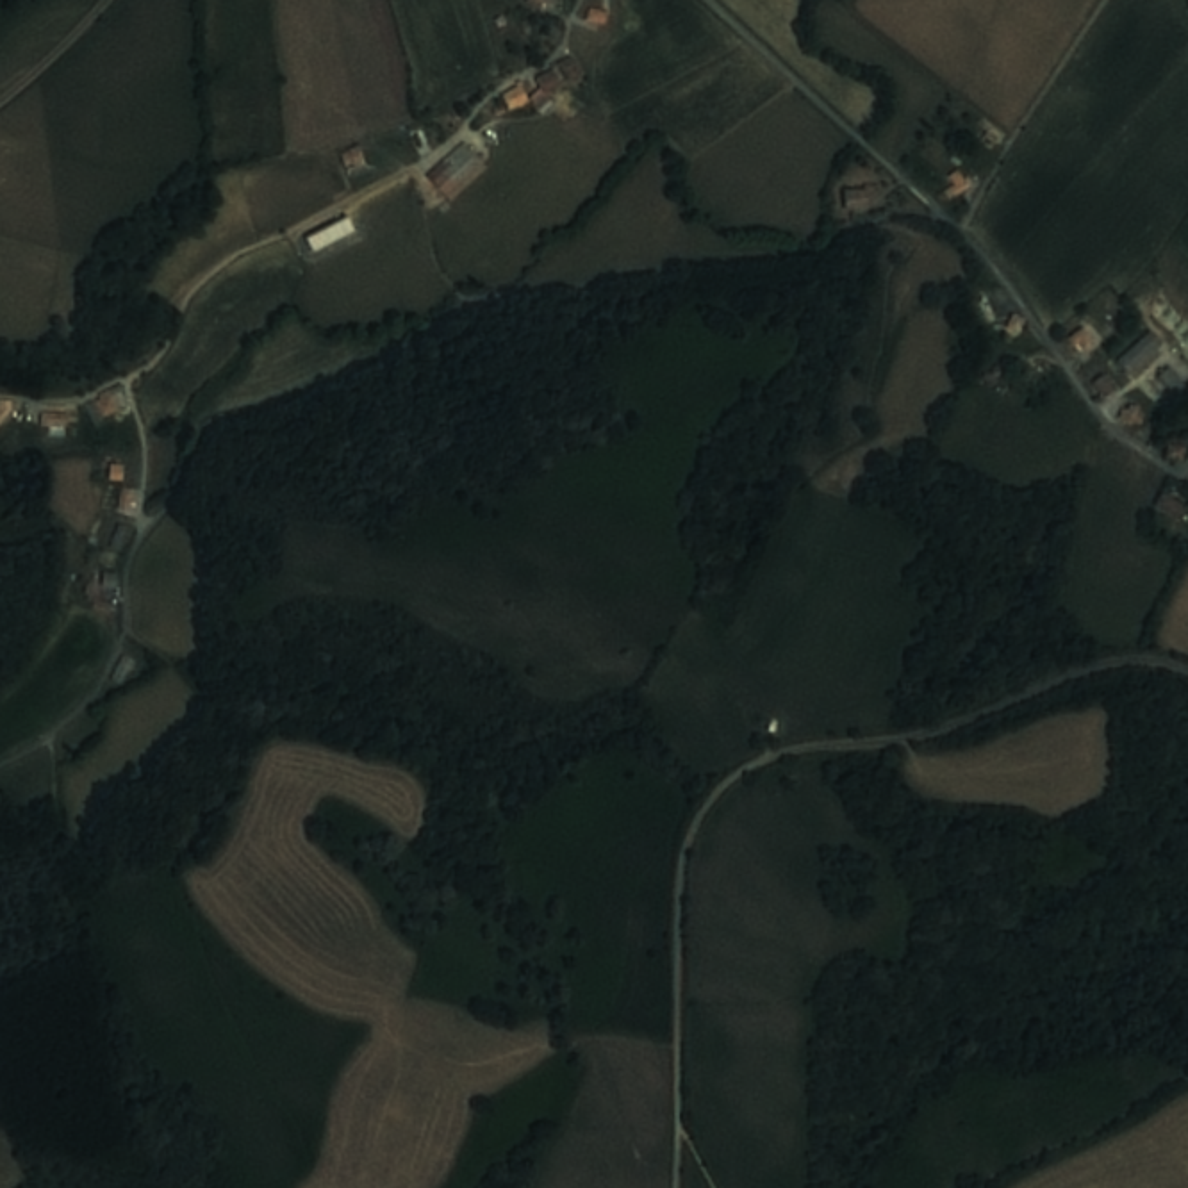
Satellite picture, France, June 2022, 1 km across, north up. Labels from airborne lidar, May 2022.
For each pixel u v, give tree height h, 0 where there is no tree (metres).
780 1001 0
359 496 12
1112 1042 9
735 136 0
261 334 11
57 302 0
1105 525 0
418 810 0
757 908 0
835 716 0
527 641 0
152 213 18
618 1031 0
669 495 0
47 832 16
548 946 18
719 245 0
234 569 11
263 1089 0
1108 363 0
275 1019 0
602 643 0
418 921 14
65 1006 33
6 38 0
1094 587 0
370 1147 0
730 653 0
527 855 0
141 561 0
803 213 0
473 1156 0
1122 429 0
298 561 0
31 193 0
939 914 20
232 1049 0
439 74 0
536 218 0
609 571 0
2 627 27
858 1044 17
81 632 0
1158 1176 0
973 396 0
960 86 0
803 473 14
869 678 0
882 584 0
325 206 0
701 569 7
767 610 0
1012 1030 14
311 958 0
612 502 0
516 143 0
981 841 27
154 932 0
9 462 8
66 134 0
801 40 11
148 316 30
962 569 15
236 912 0
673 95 0
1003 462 0
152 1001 0
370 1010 0
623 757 0
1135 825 24
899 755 15
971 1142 0
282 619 8
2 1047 21
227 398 0
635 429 14
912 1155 0
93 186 0
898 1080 19
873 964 18
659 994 0
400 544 0
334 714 16
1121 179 0
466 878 22
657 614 0
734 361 0
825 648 0
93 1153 22
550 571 0
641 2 0
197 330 0
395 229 0
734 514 22
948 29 0
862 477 6
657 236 0
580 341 24
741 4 0
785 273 18
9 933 16
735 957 0
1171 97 0
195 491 11
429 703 8
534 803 15
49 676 0
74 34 0
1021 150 0
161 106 0
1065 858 0
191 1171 24
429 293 0
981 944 26
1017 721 13
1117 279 0
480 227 0
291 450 12
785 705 0
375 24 0
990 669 28
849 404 0
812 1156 8
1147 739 17
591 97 0
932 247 0
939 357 0
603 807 0
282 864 0
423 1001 0
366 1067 0
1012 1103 0
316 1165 0
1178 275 0
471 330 9
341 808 0
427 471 19
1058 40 0
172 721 0
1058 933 29
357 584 0
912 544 0
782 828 0
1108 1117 0
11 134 0
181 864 7
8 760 0
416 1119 0
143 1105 21
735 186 0
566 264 0
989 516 27
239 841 0
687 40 0
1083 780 0
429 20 0
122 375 6
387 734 26
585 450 11
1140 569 0
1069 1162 0
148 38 0
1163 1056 10
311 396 19
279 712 14
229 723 13
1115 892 25
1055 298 0
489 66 0
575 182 0
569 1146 0
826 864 7
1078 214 0
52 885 18
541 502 0
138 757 0
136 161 0
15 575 21
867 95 0
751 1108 0
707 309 10
